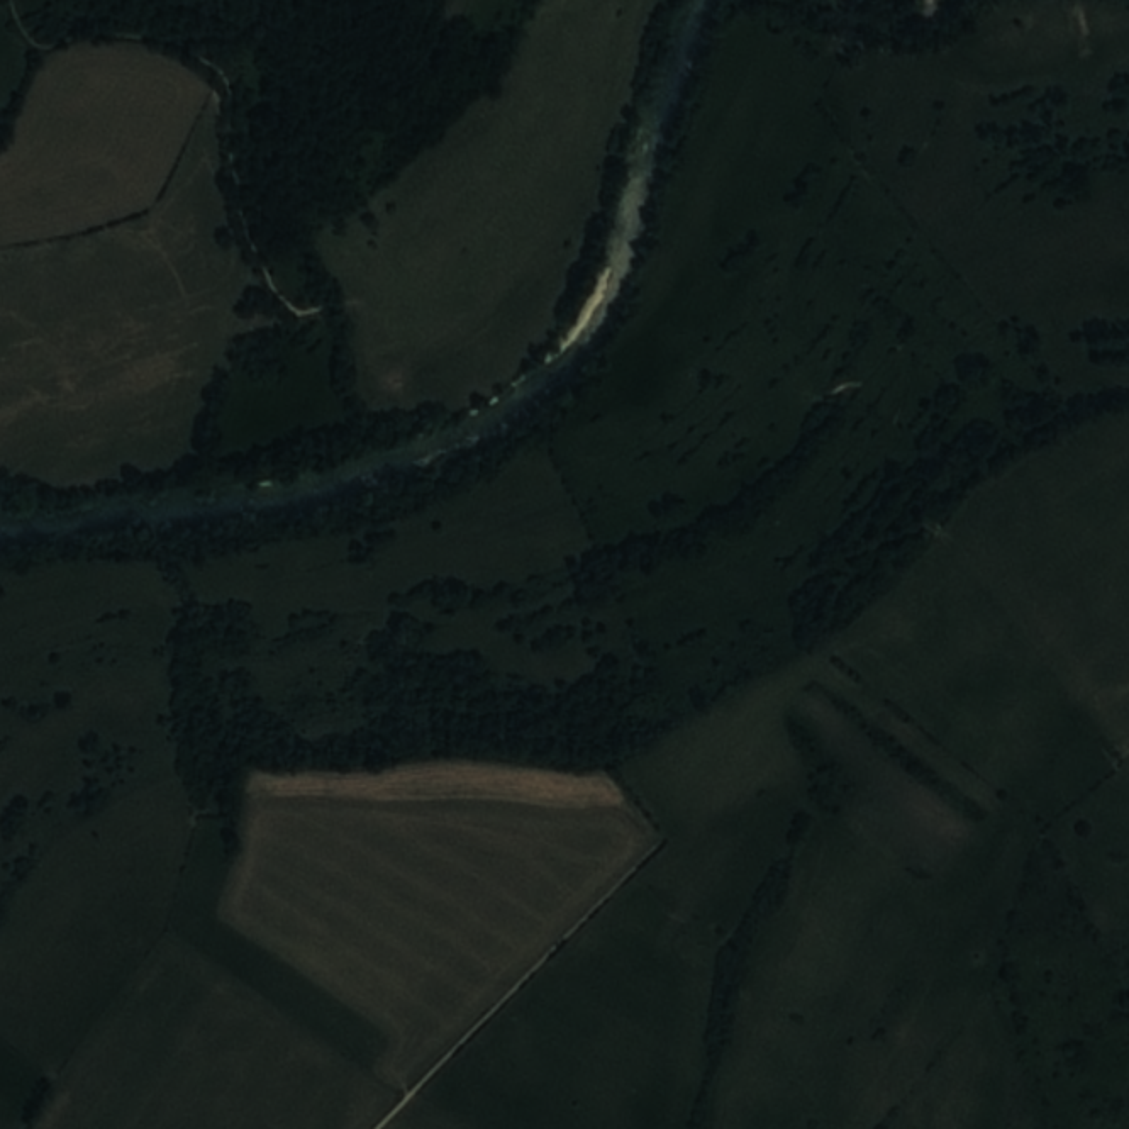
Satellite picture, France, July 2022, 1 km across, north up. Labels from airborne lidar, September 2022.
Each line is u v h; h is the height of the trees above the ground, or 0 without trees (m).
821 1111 0
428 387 0
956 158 0
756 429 0
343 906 0
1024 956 0
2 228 0
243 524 20
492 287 0
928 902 0
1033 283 0
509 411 0
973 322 0
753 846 0
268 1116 0
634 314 13
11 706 8
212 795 7
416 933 0
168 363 0
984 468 23
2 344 0
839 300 0
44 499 21
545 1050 0
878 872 0
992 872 0
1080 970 0
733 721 0
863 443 0
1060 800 0
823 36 15
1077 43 0
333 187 7
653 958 0
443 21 8
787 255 0
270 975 0
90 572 0
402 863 0
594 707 12
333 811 0
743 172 0
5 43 0
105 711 0
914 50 22
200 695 8
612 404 0
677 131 14
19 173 0
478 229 0
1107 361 19
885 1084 0
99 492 11
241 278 0
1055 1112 0
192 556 21
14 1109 0
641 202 0
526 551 0
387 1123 0
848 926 0
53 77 0
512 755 12
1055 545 0
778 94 0
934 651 0
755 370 0
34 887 0
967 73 0
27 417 0
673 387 0
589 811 0
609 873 0
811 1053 0
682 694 0
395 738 18
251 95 8
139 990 0
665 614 0
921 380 0
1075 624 0
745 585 0
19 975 0
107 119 0
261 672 0
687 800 0
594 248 18
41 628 0
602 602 17
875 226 0
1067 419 22
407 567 0
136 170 0
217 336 0
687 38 0
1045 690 0
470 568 0
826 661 0
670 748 0
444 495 15
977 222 0
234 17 21
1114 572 0
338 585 0
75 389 0
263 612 0
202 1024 0
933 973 0
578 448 0
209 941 0
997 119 0
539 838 0
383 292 0
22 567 23
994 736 0
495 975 0
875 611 0
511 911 0
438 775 0
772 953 0
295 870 0
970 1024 0
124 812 0
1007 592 0
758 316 0
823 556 13
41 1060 0
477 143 0
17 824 7
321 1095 0
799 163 0
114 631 0
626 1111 0
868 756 0
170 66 0
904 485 9
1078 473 0
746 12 19
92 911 0
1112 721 0
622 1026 0
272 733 24
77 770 0
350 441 20
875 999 0
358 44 18
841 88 0
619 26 0
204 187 0
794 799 0
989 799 0
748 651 0
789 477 7
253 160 13
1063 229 0
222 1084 0
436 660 7
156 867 0
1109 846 0
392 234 0
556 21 0
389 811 0
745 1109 0
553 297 0
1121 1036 0
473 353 0
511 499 0
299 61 22
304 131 19
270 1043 0
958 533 0
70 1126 0
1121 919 0
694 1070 0
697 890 0
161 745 0
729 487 0
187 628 8
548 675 0
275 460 20
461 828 0
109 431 0
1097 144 7
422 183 0
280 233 17
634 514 0
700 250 0
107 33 9
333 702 7
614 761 12
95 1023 0
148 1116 0
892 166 0
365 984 0
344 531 15
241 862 0
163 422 0
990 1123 0
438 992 0
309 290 6
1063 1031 0
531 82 0
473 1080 0
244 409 0
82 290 0
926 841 0
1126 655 0
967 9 19
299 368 0
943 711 0
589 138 0
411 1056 0
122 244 0
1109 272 0
